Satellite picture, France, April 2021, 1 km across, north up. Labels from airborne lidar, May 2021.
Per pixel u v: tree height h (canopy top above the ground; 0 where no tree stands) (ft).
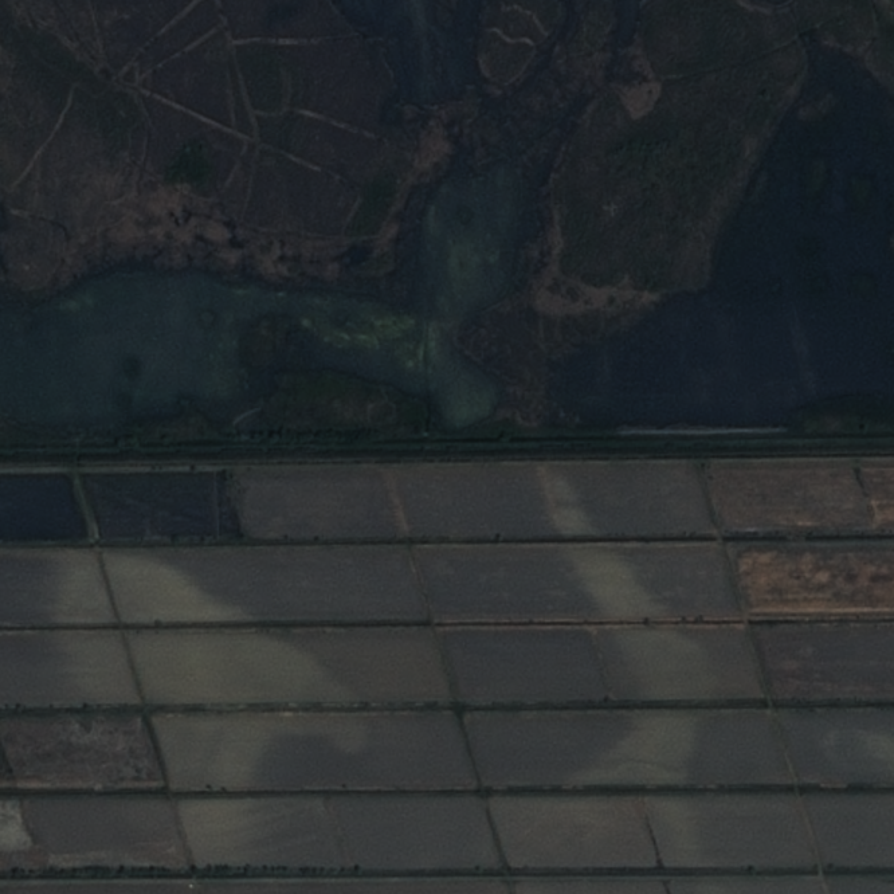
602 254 0
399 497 0
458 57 0
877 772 0
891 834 0
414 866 0
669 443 18
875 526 0
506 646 0
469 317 0
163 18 0
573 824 0
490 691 0
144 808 0
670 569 0
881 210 0
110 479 0
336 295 0
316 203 0
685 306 0
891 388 0
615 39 0
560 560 0
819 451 21
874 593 0
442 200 0
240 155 0
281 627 0
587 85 0
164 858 0
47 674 0
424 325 0
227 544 0
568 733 0
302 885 0
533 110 0
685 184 25
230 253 0
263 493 0
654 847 0
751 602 0
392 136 0
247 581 0
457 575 0
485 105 0
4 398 0
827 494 0
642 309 0
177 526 0
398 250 0
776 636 0
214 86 0
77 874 23
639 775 0
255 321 0
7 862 0
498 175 0
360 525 0
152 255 0
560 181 0
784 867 0
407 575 0
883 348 0
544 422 0
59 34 0
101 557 0
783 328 0
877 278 0
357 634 0
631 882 0
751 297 0
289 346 0
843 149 0
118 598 0
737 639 0
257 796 0
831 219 0
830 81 0
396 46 0
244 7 0
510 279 0
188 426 0
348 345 0
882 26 0
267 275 0
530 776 0
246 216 0
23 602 0
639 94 0
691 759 0
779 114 0
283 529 0
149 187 0
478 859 0
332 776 0
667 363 0
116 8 0
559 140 0
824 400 0
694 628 0
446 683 0
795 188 0
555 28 0
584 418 0
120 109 0
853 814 0
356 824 0
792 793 0
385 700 0
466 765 0
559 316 0
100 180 0
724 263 0
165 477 0
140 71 0
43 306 0
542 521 0
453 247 0
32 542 0
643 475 0
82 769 0
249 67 0
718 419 0
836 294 0
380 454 21
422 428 0
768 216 0
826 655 0
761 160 0
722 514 0
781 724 0
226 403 0
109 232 0
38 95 0
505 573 0
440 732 0
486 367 0
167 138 0
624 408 0
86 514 0
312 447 22
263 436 28
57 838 0
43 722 0
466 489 0
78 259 0
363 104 0
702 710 0
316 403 0
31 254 0
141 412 0
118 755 0
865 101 0
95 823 0
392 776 0
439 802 0
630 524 0
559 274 0
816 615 0
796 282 0
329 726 0
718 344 0
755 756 0
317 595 0
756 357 0
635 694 0
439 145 0
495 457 20
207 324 0
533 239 0
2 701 0
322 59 0
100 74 0
